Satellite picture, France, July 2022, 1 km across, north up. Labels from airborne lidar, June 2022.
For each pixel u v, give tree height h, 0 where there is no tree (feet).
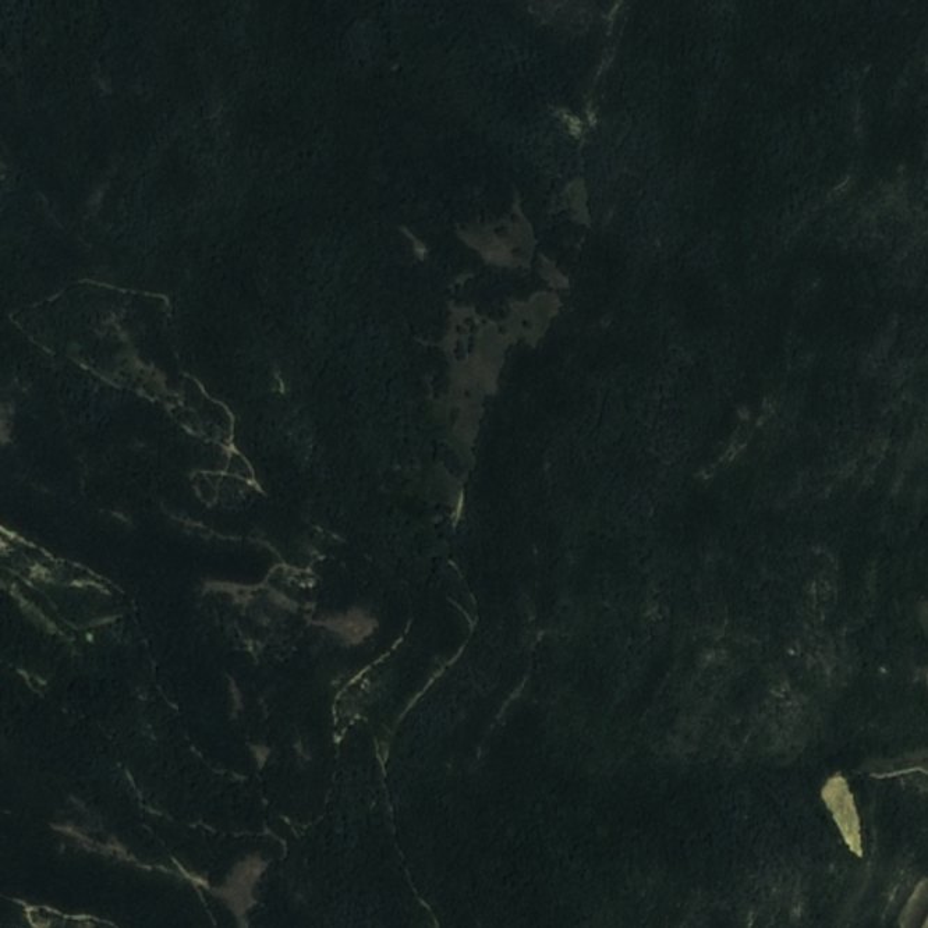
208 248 31
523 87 30
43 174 28
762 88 37
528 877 59
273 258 36
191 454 30
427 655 24
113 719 29
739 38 34
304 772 19
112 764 33
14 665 28
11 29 52
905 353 38
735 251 29
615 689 26
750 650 23
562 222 24
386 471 21
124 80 23
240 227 29
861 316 37
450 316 45
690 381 27
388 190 29
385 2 31
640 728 25
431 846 26
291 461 34
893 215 22
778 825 23
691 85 46
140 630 22
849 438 33
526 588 23
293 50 28
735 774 26
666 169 31
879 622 25
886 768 0
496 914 32
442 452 36
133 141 21
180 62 31
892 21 31
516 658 24
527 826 36
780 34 37
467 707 25
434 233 33
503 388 20
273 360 24
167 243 28
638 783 45
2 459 20
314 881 41
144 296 24
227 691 26
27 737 33
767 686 21
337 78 18
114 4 42
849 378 34
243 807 27
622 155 35
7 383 24
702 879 22
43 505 31
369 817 29
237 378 21
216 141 30
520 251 19
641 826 53
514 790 45
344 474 34
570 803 59
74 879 32
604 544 28
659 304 38
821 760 25
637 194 28
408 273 35
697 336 28
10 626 41
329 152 28
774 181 27
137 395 20
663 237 26
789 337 47
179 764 24
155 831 30
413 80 22
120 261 24
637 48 33
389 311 31
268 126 36
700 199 33
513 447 25
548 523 22
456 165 38
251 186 18
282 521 32
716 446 24
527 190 25
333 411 17
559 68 30
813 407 28
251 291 50
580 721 20
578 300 29
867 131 31
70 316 27
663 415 32
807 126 46
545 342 27
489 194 31
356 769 22
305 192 35
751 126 50
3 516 25
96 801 43
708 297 31
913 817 30
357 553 32
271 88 31
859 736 30
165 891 28
